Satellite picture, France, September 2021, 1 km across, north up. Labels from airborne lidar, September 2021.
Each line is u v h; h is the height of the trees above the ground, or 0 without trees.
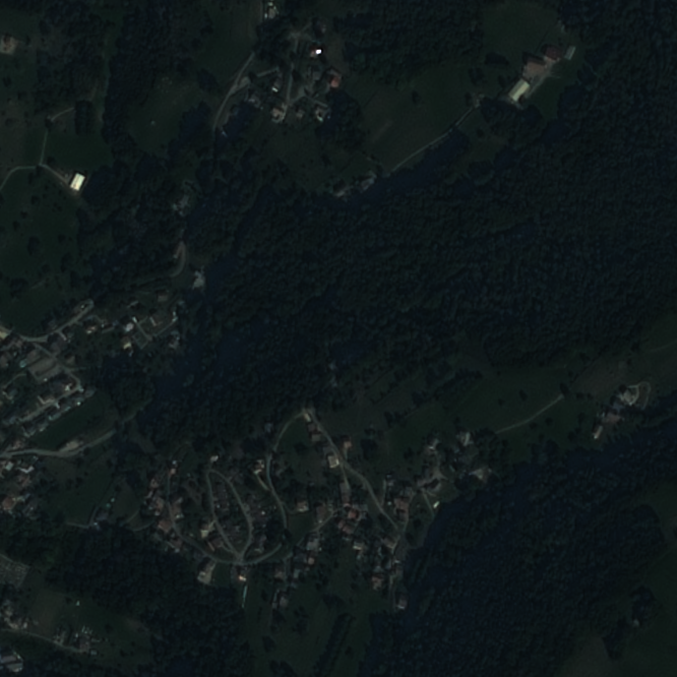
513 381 0
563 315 23
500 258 25
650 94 14
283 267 27
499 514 20
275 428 10
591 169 25
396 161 0
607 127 24
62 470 0
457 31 26
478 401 0
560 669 19
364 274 24
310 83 0
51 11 11
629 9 38
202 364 29
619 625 14
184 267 0
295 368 31
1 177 0
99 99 0
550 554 17
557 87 0
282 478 7
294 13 21
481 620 32
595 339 27
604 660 0
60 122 0
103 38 11
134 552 19
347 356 0
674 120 24
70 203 0
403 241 22
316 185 0
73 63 8
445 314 19
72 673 19
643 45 29
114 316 0
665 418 10
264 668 0
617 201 25
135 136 0
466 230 29
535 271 20
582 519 22
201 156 15
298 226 15
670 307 22
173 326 0
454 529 29
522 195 28
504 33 0
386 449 0
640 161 26
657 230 26
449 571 10
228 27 0
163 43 28
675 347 0
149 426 12
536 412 0
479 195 15
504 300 24
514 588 31
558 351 22
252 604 0
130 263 28
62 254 0
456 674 30
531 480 21
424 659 27
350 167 0
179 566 18
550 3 25
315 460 0
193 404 26
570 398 14
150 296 0
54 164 11
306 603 0
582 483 27
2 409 7
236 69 0
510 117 21
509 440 0
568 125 19
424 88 0
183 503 9
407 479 0
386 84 12
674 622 0
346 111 21
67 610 0
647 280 29
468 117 0
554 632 30
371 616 0
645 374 0
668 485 18
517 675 29
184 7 16
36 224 0
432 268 20
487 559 28
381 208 26
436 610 26
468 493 27
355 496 6
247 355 25
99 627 0
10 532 10
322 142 15
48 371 0
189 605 33
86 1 20
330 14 0
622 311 21
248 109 0
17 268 0
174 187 16
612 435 0
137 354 14
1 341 0
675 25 25
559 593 26
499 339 30
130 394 25
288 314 29
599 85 13
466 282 16
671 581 0
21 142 0
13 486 0
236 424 27
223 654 14
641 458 15
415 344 22
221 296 22
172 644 33
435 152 0
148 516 7
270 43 12
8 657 0
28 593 6
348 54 0
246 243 22
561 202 27
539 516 18
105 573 29
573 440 12
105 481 0
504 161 0
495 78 0
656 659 0
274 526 11
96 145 0
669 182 29
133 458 21
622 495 23
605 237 22
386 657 23
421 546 0
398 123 0
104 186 24
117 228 23
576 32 23
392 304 27
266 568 7
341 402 11
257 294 22
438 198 25
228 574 0
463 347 0
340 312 28
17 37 0
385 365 11
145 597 26
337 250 24
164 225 16
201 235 21
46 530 22
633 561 25
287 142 0
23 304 0
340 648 13
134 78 21
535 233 17
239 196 22
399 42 28
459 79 0
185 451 0
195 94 0
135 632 0
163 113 0
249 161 19
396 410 0
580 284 23
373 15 21
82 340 0
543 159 23
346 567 0
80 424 0
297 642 0
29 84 0
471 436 0
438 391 10
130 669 0
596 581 30
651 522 20
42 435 0
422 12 24
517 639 34
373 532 10
